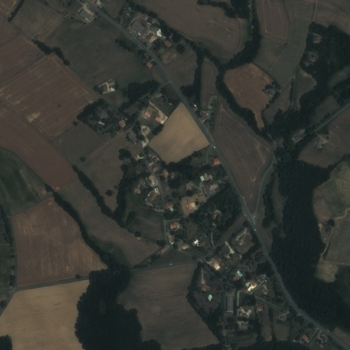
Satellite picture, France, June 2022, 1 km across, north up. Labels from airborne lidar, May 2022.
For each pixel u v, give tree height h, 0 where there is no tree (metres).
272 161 0
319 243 14
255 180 0
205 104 0
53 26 0
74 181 0
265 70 0
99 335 14
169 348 0
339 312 11
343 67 10
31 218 0
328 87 12
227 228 6
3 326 0
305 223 19
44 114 0
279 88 13
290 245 16
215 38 0
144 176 9
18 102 0
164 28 11
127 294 0
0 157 0
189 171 15
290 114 8
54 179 0
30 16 0
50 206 0
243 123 0
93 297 11
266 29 0
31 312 0
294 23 0
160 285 0
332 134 0
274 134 18
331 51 16
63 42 0
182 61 0
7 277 0
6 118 0
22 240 0
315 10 0
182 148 0
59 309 0
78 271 0
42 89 0
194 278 12
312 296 11
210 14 0
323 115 0
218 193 8
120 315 12
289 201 15
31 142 0
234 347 15
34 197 0
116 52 0
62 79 0
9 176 0
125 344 11
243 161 0
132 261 0
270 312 11
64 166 0
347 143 0
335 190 0
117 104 0
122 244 0
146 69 0
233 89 0
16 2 0
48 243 0
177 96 0
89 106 12
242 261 14
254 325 14
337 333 0
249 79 0
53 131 0
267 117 0
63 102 0
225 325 0
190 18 0
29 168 0
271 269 18
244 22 0
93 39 0
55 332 0
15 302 0
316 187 11
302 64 13
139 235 14
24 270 0
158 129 14
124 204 18
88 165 0
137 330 18
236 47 0
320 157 0
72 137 0
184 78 0
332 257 0
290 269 26
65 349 0
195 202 7
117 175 0
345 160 0
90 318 14
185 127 0
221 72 16
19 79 0
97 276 15
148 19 0
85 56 0
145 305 0
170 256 0
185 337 0
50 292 0
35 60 0
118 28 0
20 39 0
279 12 0
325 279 0
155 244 0
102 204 18
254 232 7
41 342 0
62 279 0
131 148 0
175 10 0
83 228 10
